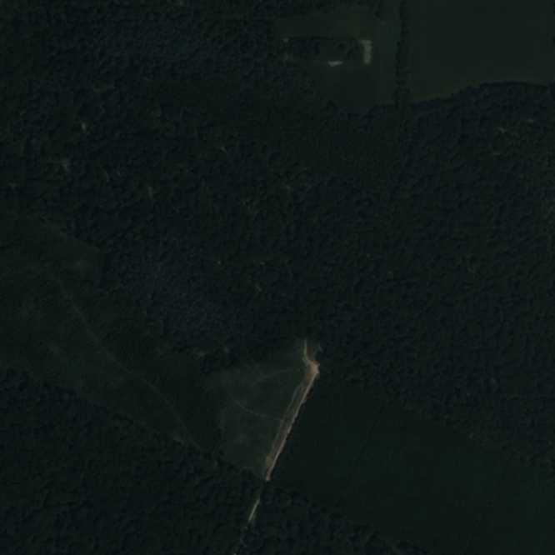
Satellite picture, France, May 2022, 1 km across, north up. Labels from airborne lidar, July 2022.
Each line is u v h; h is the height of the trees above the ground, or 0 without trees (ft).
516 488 29
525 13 0
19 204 93
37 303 32
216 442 23
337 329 95
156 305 92
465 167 98
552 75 0
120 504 95
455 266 86
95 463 93
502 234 83
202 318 109
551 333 81
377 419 29
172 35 89
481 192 117
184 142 96
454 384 92
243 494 93
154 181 101
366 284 94
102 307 23
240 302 82
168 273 104
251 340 96
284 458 36
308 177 89
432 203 99
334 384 34
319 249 93
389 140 55
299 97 73
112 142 102
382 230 99
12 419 105
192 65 81
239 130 54
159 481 94
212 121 55
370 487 30
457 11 0
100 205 30
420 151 77
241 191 93
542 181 79
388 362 76
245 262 95
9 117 105
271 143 59
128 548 107
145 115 96
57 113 95
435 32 0
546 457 83
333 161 56
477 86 0
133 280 100
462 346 77
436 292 95
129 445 91
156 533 103
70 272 38
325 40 31
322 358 86
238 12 89
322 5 73
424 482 31
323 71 0
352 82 0
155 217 96
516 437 94
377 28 0
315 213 88
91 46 35
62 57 100
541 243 80
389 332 97
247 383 0
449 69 0
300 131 62
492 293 83
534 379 87
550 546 36
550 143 75
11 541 106
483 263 96
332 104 38
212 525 91
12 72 110
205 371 32
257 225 102
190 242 75
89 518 122
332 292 81
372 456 27
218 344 90
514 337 83
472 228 92
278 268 90
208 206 78
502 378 101
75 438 103
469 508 28
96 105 82
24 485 102
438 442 30
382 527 35
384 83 0
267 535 101
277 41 57
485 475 28
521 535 29
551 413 83
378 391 83
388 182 54
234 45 25
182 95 60
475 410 94
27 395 101
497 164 87
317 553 110
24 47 107
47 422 92
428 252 97
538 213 81
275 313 98
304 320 78
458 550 31
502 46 0
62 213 102
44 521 121
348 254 95
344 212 96
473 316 93
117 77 70
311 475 36
